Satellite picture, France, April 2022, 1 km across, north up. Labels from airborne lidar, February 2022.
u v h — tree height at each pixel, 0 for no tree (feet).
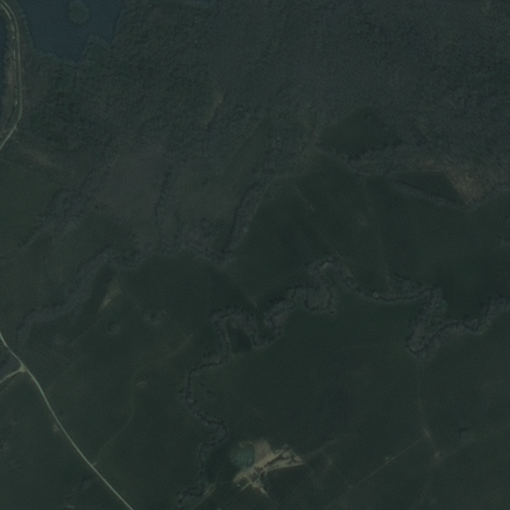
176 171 52
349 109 49
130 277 0
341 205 0
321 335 0
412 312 0
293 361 0
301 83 52
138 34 59
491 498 0
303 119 0
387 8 86
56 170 0
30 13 0
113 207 0
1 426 0
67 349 0
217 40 65
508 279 0
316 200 0
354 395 0
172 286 0
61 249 0
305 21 54
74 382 0
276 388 0
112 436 0
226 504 0
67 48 0
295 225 0
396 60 78
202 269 0
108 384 0
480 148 91
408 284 62
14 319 0
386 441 0
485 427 0
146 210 0
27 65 50
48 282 0
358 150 0
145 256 25
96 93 72
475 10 71
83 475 0
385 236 0
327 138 0
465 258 0
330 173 0
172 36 45
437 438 0
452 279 0
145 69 65
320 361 0
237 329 0
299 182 0
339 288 0
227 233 0
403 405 0
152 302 0
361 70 78
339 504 0
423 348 55
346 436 0
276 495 0
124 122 68
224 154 64
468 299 0
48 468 0
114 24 0
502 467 0
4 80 39
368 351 0
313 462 0
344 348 0
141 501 0
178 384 0
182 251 0
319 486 0
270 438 0
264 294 0
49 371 0
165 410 0
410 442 0
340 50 64
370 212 0
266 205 0
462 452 0
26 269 0
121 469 0
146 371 0
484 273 0
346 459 0
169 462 0
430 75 86
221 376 0
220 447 0
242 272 0
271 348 0
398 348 0
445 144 76
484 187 31
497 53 77
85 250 0
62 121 73
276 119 18
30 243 38
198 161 60
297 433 0
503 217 0
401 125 78
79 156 0
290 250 0
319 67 60
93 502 0
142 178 0
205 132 54
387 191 0
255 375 0
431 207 0
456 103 28
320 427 0
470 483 0
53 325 0
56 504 0
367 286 0
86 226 0
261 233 0
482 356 0
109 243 0
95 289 0
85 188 57
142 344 0
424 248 0
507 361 0
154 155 0
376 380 0
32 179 0
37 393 0
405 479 0
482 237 0
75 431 0
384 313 0
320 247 0
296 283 0
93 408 0
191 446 0
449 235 0
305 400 0
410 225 0
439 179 0
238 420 0
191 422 0
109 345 0
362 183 59
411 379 0
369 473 0
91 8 0
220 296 0
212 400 54
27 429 0
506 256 0
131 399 0
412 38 85
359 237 0
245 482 0
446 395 0
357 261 0
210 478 0
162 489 0
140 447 0
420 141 88
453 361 0
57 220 24
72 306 52
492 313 52
